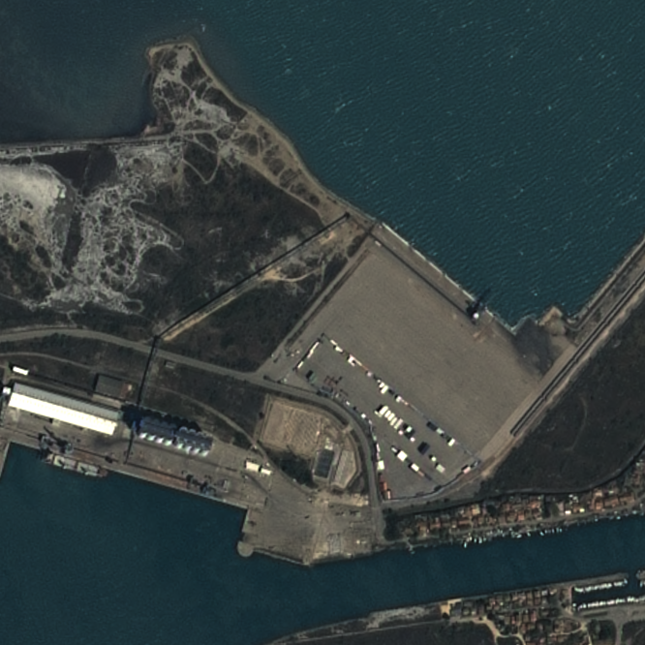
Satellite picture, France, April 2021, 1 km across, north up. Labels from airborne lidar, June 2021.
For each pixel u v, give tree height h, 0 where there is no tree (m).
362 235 0
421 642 0
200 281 0
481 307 0
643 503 0
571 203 0
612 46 0
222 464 0
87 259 0
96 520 0
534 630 7
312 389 0
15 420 0
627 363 0
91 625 0
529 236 0
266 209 0
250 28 0
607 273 0
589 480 0
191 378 0
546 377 0
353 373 0
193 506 0
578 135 0
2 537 0
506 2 0
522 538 0
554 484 0
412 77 0
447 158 0
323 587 0
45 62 0
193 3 0
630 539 0
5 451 0
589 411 0
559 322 0
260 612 0
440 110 0
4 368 0
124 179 0
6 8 0
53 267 0
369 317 0
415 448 0
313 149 0
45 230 0
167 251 0
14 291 0
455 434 0
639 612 0
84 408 0
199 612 0
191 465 0
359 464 0
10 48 0
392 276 0
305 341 0
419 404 0
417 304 0
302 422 0
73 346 0
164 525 0
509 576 0
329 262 0
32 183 0
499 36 0
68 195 0
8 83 0
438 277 0
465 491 0
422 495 0
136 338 0
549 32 0
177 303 0
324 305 0
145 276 0
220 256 0
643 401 0
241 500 0
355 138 0
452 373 0
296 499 0
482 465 0
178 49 0
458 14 0
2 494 0
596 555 0
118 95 0
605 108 0
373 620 0
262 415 7
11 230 0
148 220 0
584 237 0
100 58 0
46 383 0
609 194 0
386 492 0
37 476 0
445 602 0
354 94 0
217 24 0
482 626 0
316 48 0
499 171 0
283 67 0
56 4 0
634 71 0
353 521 0
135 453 0
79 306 0
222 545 0
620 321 0
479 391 0
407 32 0
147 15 0
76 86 0
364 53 0
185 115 0
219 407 0
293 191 0
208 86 0
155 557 0
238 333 0
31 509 0
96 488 0
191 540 0
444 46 0
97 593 0
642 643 0
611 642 0
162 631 0
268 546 0
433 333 0
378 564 0
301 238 0
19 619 0
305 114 0
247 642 0
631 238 0
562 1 0
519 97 0
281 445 0
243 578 0
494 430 0
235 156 0
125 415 0
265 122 0
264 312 6
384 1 0
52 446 0
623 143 0
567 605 8
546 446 0
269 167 0
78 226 0
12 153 0
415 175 0
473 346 0
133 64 0
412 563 0
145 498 0
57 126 0
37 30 0
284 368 0
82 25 0
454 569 0
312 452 0
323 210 0
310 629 0
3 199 0
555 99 0
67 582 0
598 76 0
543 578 0
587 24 0
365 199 0
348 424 0
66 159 0
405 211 0
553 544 0
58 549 0
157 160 0
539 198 0
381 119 0
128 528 0
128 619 0
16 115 0
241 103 0
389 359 0
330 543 0
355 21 0
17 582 0
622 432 0
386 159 0
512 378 0
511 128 0
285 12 0
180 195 0
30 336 0
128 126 0
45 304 0
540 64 0
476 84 0
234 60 0
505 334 0
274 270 0
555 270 0
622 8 0
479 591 0
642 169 0
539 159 0
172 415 0
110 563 0
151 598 0
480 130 0
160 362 0
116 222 0
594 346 0
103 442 0
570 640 9
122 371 0
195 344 0
